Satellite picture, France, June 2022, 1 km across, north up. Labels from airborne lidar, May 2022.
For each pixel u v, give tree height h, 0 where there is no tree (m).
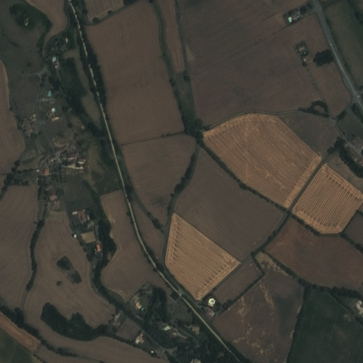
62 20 0
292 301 0
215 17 0
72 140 0
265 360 0
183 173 0
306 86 0
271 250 0
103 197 0
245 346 0
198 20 0
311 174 0
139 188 0
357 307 0
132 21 0
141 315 8
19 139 0
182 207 0
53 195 0
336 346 0
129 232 0
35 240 10
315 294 0
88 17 0
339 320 0
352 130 0
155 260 15
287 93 0
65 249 0
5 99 0
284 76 0
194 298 0
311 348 0
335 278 0
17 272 0
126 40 0
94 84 12
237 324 0
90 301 0
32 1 0
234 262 0
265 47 0
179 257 0
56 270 0
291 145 0
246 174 0
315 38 0
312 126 0
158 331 11
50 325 6
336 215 0
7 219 0
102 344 0
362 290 0
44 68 0
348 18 0
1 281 0
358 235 0
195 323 12
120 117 0
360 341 0
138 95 0
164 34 0
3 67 0
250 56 0
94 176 0
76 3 11
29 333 13
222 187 0
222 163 22
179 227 0
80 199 0
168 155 0
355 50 0
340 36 0
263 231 0
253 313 0
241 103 0
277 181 0
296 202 0
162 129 0
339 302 6
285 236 0
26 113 0
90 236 0
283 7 0
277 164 0
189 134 18
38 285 0
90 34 0
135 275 0
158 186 0
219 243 0
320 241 0
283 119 0
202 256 0
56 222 0
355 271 0
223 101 0
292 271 20
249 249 0
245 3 0
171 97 0
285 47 0
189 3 0
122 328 0
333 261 0
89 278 0
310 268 0
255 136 0
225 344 10
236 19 0
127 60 0
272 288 0
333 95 0
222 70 0
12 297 0
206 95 0
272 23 0
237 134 0
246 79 0
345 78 0
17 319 21
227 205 0
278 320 0
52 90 7
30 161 0
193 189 0
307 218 0
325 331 0
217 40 0
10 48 0
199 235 0
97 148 0
